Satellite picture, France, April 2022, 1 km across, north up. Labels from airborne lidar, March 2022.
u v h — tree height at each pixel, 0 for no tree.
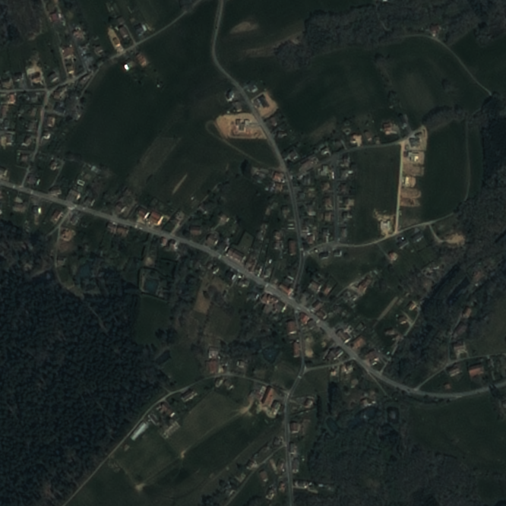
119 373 25
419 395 0
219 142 0
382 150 0
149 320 0
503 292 25
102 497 0
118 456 0
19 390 28
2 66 0
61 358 25
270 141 0
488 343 0
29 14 0
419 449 15
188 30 0
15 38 30
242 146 0
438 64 0
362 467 22
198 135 0
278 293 0
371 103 0
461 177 0
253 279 0
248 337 20
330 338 0
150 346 0
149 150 0
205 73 0
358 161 0
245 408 0
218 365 0
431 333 24
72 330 26
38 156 7
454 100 0
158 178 0
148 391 22
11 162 0
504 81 0
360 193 0
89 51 0
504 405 0
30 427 30
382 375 0
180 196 0
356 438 15
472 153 0
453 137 0
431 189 0
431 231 0
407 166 0
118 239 8
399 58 0
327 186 0
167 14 0
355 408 6
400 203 0
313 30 18
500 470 0
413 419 0
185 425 0
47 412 30
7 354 29
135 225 0
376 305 0
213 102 0
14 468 33
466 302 7
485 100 0
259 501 16
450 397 0
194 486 0
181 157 0
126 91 0
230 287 0
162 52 0
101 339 32
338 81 0
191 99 0
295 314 0
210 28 0
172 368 0
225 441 0
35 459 26
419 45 0
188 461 0
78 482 14
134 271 0
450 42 17
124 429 23
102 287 17
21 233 22
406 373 23
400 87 0
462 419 0
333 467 17
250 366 0
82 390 32
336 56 0
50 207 0
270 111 0
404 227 0
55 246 26
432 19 14
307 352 0
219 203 10
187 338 0
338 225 0
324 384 0
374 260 0
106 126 0
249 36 0
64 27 0
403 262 0
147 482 0
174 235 0
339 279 0
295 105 0
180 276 17
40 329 33
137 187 0
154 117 0
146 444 0
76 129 0
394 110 0
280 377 0
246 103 0
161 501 0
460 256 20
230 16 0
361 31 16
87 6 0
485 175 6
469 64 0
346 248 0
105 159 0
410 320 0
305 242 13
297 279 0
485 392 0
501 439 0
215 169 0
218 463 0
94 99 0
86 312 29
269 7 0
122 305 21
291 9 0
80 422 31
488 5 14
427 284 18
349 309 0
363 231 0
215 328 0
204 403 0
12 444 31
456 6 16
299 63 20
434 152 0
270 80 0
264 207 0
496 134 19
